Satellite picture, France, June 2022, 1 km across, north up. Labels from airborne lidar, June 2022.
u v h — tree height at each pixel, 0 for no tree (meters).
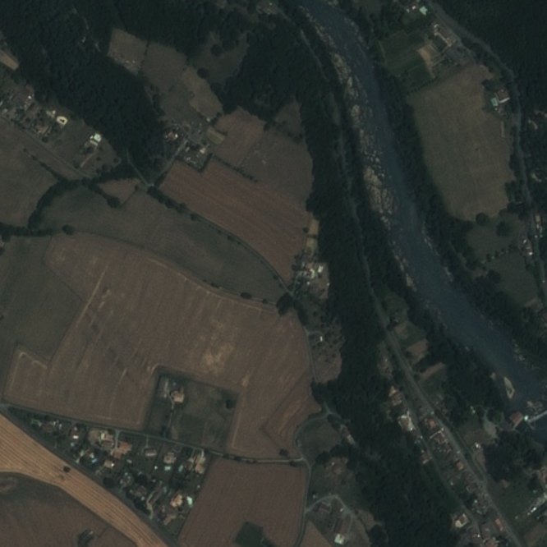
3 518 0
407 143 23
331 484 0
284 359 0
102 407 0
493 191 0
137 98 10
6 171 0
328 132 15
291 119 0
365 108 0
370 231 23
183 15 6
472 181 0
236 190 0
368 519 0
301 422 0
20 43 16
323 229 9
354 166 25
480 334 0
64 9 11
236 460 11
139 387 0
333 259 15
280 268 0
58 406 0
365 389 24
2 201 0
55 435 11
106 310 0
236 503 0
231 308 0
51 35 16
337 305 20
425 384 0
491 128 0
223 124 0
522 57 21
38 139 0
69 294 0
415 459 6
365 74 0
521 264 0
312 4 0
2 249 8
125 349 0
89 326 0
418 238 0
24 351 0
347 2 15
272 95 6
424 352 0
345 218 16
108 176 12
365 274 13
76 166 7
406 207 0
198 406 0
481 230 0
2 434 0
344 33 0
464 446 0
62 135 0
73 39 13
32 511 0
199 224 0
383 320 0
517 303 0
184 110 0
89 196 0
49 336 0
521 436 18
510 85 19
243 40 0
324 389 15
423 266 0
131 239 0
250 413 0
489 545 0
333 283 12
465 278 31
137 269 0
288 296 14
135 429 0
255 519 0
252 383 0
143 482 12
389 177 0
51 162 0
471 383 30
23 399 0
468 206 0
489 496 0
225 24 12
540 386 0
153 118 15
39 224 12
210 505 0
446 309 0
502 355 0
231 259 0
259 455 0
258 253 0
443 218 29
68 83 16
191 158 0
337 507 0
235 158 0
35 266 0
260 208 0
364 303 23
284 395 0
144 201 0
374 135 0
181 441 0
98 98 19
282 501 0
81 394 0
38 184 0
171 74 0
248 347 0
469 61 0
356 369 23
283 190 0
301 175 0
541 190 15
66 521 0
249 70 20
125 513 0
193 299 0
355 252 17
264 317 0
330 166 18
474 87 0
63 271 0
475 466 0
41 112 7
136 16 13
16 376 0
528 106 13
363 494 7
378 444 18
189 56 8
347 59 0
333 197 19
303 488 0
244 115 0
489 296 33
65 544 0
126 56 0
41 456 0
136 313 0
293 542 0
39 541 0
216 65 0
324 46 25
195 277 0
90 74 18
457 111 0
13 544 0
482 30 14
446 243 10
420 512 19
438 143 0
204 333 0
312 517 0
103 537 0
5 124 0
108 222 0
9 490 0
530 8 21
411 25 6
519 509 0
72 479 0
